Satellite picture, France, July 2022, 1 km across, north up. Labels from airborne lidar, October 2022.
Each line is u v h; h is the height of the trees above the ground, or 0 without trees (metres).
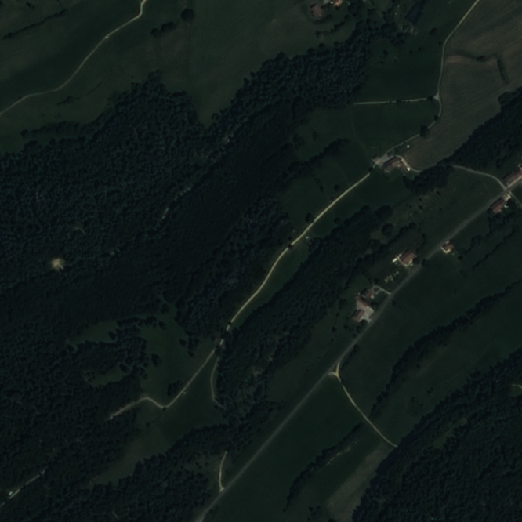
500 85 0
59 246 16
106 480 0
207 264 25
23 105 0
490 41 0
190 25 0
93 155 20
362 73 25
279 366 16
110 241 19
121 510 23
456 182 0
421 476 20
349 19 16
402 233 15
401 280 0
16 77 0
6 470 20
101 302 24
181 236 21
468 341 0
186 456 22
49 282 18
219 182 22
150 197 22
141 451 0
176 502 17
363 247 17
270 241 24
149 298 18
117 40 0
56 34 0
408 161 0
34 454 20
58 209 32
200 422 0
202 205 25
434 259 0
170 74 0
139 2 0
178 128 21
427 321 0
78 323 24
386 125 0
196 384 0
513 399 10
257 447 0
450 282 0
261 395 21
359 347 13
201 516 0
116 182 24
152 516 25
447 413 21
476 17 0
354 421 0
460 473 22
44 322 20
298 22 0
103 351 24
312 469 20
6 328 27
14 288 6
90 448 17
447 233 0
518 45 0
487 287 0
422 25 0
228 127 35
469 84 0
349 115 0
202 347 0
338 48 16
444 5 0
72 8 0
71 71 0
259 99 14
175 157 31
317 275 20
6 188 32
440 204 0
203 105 0
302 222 0
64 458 25
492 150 21
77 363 26
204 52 0
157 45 0
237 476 0
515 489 17
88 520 20
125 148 6
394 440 0
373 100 0
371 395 0
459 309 0
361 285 0
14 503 11
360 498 0
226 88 0
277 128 21
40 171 17
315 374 0
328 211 0
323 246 28
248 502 0
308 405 0
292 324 20
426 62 0
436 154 0
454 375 0
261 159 23
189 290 29
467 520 21
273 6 0
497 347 0
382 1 0
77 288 19
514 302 0
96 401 20
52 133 7
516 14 0
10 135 0
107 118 7
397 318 0
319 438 0
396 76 0
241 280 27
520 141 21
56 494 6
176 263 27
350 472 0
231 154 28
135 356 22
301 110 21
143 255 28
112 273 20
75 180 13
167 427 0
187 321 31
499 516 19
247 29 0
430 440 26
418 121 0
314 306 20
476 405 19
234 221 29
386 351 0
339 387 0
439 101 0
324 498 0
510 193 0
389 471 33
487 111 0
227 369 26
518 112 26
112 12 0
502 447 7
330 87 24
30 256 24
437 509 23
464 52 0
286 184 26
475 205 0
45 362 20
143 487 21
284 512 7
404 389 0
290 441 0
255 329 26
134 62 0
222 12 0
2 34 0
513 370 31
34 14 0
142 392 13
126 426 12
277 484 0
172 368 0
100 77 0
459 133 0
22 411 25
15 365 23
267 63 12
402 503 19
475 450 20
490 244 0
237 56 0
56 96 0
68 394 10
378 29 12
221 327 8
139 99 18
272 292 0
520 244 0
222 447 15
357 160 0
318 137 11
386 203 0
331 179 0
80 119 0
